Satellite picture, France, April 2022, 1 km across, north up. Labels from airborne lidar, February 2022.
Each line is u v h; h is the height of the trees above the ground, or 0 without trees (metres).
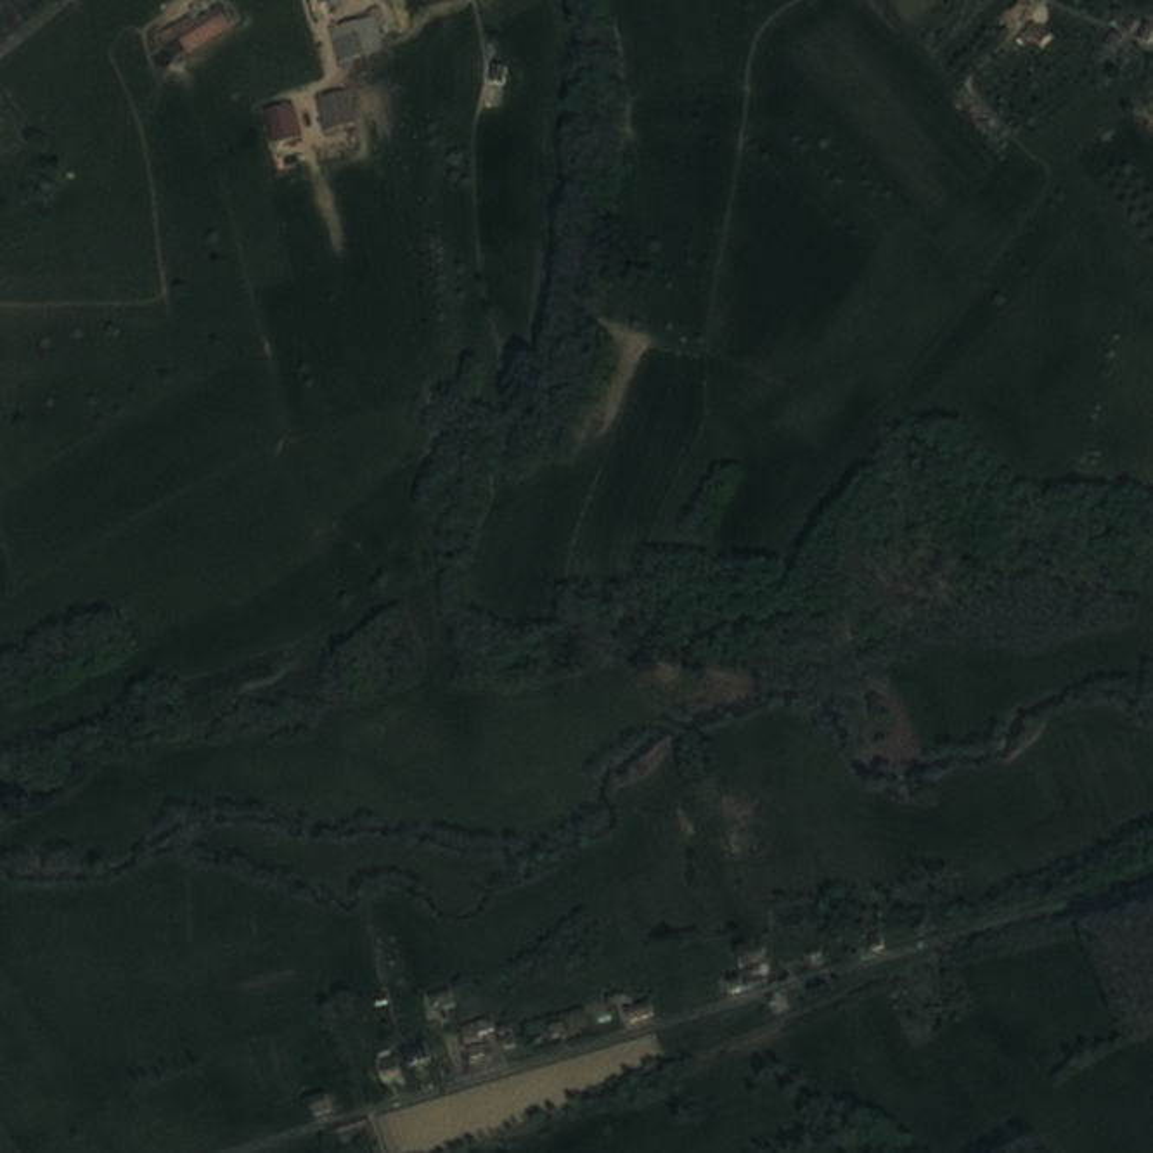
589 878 0
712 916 0
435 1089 0
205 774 0
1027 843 0
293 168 0
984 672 0
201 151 0
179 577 0
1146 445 0
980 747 19
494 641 27
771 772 0
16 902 0
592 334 22
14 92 0
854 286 0
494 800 0
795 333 0
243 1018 0
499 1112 0
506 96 0
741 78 0
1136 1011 32
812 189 0
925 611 29
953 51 0
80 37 0
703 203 0
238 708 12
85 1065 0
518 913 0
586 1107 13
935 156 0
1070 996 0
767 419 0
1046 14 0
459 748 0
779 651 22
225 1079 0
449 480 30
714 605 24
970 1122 0
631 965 0
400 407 0
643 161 0
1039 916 0
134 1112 0
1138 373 0
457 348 0
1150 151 0
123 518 0
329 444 0
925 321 0
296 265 0
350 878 0
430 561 16
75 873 14
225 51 0
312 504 0
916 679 0
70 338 0
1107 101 0
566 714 0
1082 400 0
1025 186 0
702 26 0
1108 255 0
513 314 0
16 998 0
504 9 0
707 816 0
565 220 30
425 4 0
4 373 0
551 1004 0
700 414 0
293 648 0
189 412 0
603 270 18
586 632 26
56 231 0
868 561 31
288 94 0
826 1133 19
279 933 0
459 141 0
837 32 0
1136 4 10
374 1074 0
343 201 0
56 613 0
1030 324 0
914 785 22
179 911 0
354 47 0
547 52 0
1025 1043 0
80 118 0
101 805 0
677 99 0
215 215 0
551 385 35
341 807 0
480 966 0
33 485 0
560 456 26
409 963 0
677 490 0
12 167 0
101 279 0
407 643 18
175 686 17
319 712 17
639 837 0
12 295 0
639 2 0
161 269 0
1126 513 28
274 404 0
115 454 0
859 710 20
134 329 0
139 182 0
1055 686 0
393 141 0
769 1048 0
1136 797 0
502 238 0
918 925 7
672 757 0
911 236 0
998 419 0
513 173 0
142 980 0
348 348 0
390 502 0
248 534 0
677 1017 0
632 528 0
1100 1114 0
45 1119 0
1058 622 25
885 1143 22
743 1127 0
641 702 0
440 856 0
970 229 0
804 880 0
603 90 29
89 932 0
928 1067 0
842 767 0
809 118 0
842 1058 0
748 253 0
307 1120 0
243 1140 0
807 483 0
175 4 0
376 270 0
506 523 0
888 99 0
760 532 0
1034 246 0
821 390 0
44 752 26
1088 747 0
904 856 0
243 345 0
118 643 25
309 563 0
